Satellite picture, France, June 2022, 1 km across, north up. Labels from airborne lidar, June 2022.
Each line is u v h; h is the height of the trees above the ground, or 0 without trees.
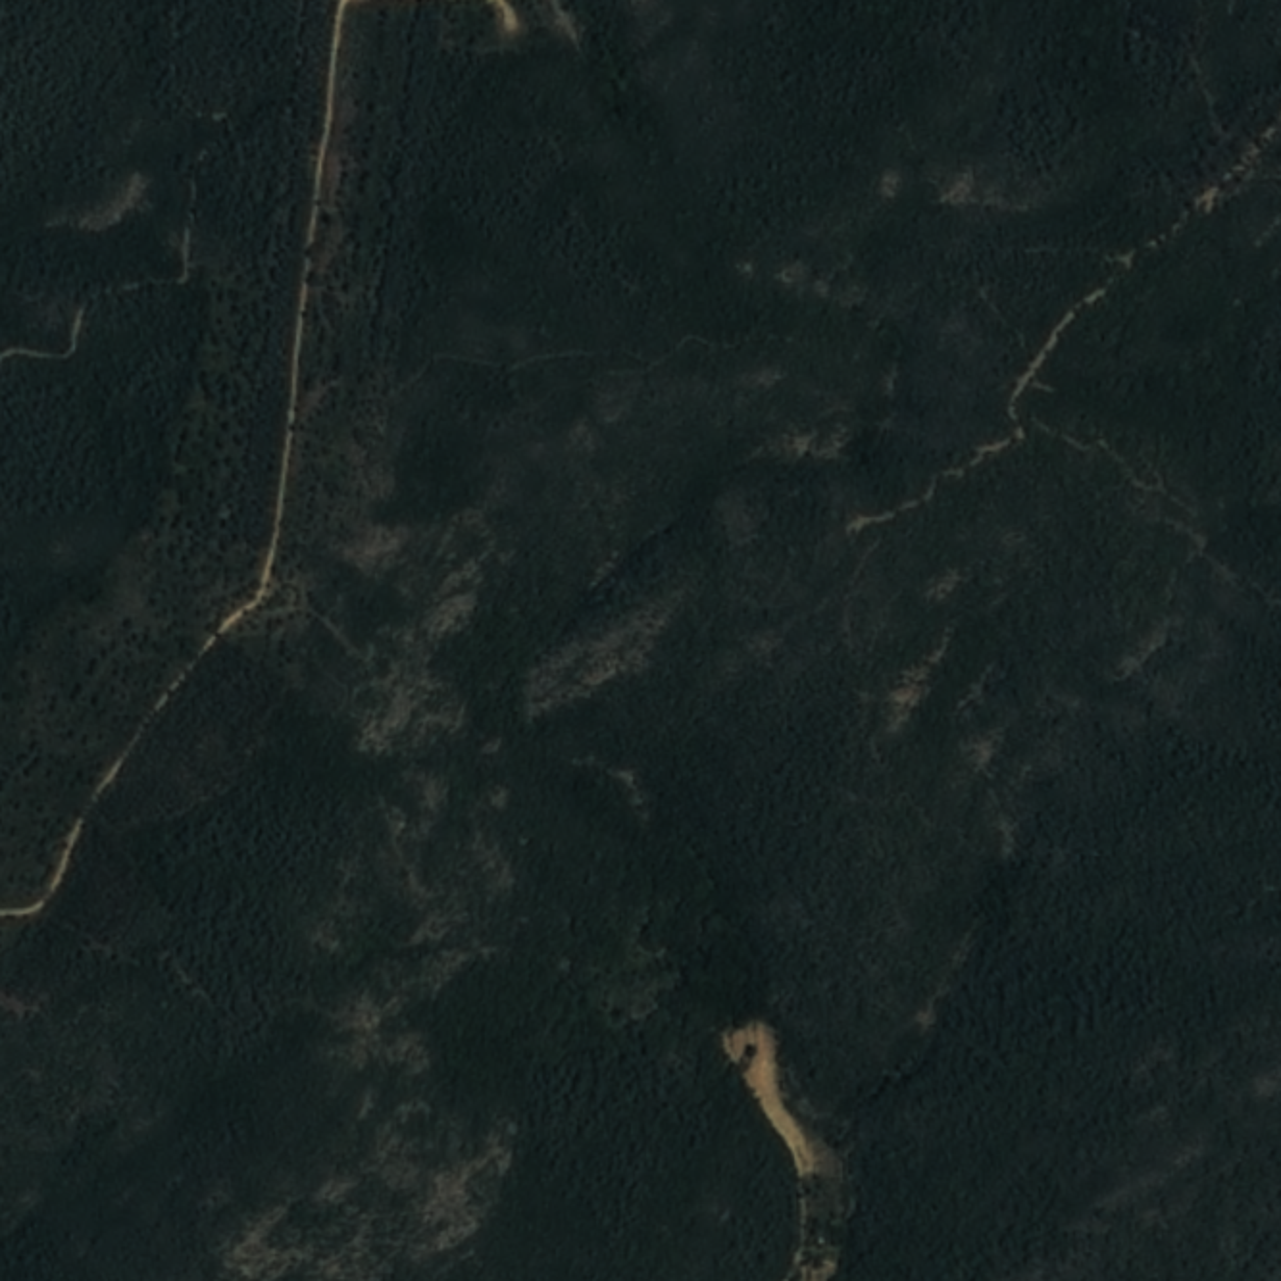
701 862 13
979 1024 11
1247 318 6
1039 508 8
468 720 7
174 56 12
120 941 7
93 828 13
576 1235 8
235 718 15
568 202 8
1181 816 9
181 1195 6
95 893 13
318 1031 6
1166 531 8
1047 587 9
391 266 14
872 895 6
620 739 11
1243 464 7
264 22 12
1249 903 7
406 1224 9
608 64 7
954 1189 8
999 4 6
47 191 8
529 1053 13
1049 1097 8
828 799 7
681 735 13
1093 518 8
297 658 10
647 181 6
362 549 0
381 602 9
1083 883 9
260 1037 14
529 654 15
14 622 14
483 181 9
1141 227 6
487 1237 7
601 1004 13
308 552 6
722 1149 9
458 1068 11
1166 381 7
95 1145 10
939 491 6
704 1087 11
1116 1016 12
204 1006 8
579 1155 7
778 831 13
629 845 7
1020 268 7
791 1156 6
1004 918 8
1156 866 14
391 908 6
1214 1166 9
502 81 5
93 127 13
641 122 8
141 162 6
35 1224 8
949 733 6
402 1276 9
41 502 14
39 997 8
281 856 13
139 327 8
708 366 6
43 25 14
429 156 13
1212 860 9
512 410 6
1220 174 21
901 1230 9
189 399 16
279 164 12
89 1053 8
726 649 11
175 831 7
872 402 6
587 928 13
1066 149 11
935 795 8
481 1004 13
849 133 8
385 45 7
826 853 7
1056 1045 12
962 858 10
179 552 12
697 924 16
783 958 10
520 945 12
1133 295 8
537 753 11
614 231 13
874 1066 5
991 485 7
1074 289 6
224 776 14
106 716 6
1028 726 6
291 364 10
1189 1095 10
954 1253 12
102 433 7
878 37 8
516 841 8
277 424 12
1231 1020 6
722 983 14
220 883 7
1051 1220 10
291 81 6
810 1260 9
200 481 6
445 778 6
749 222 6
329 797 6
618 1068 10
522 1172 9
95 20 16
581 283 8
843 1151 17
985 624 10
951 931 7
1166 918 10
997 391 6
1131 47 14
